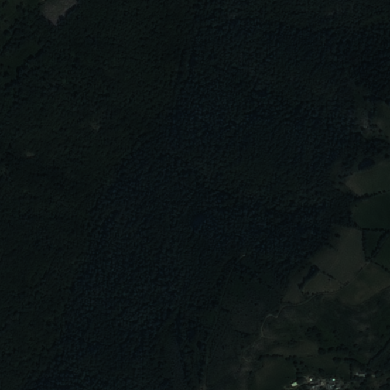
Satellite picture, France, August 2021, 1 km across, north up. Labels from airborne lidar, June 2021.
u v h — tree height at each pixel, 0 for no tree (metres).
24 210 17
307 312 0
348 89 17
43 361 29
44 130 26
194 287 19
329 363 0
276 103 26
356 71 9
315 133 21
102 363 23
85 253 22
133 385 29
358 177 0
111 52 23
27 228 25
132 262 22
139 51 30
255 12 20
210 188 23
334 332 10
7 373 25
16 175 28
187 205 25
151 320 18
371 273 0
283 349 0
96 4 19
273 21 27
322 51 25
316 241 17
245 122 24
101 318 31
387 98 6
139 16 23
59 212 19
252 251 14
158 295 18
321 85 11
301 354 0
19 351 25
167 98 26
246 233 19
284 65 16
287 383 0
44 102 15
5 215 27
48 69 23
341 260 0
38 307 20
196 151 18
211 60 31
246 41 12
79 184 33
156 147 23
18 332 30
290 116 22
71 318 20
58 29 18
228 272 7
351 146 28
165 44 23
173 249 16
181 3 28
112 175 25
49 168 30
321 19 13
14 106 18
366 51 20
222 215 23
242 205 16
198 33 25
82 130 17
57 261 18
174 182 15
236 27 26
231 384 0
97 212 20
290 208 26
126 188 22
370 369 8
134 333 26
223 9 11
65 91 23
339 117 17
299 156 26
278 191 20
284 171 21
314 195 17
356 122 10
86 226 27
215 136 21
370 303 0
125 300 25
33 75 24
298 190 13
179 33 22
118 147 18
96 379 31
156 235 21
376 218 0
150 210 18
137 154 20
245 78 28
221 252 39
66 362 23
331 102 22
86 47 28
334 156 13
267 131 23
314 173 18
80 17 22
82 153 18
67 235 24
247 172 24
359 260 0
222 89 21
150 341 22
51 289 26
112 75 13
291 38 24
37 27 20
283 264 13
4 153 26
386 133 0
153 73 25
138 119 25
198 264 19
